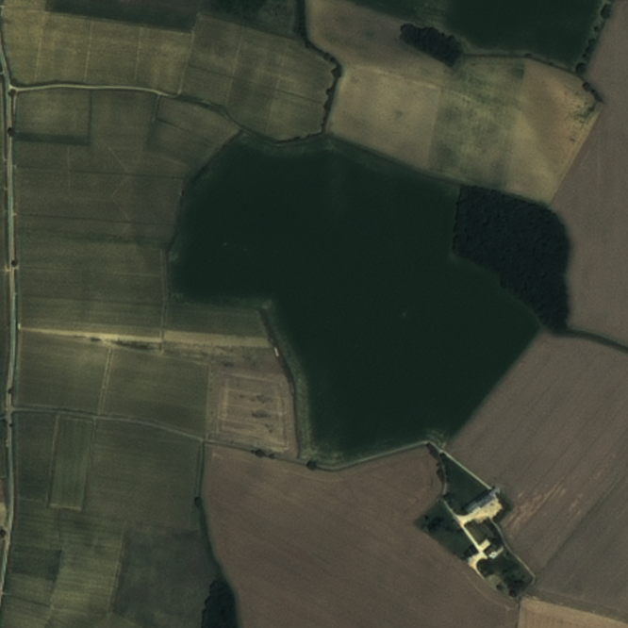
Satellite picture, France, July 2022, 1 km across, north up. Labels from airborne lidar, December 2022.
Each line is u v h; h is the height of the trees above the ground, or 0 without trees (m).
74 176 0
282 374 0
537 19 0
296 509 0
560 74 0
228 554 0
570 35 0
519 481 0
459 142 0
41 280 0
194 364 0
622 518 0
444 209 0
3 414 0
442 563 0
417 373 0
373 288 0
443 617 0
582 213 0
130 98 0
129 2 0
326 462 0
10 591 0
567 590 0
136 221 0
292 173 0
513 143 0
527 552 0
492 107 0
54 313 0
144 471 0
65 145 0
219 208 0
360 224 0
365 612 0
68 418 0
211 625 13
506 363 0
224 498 0
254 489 0
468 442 0
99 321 0
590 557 0
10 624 0
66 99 0
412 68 0
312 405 0
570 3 0
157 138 0
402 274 0
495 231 17
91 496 0
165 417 0
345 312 0
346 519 0
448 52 21
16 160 0
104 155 0
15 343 0
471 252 14
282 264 0
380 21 0
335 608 0
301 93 0
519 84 0
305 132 0
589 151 0
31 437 0
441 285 0
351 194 0
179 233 0
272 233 0
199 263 0
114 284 0
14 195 0
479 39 0
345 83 0
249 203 0
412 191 0
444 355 0
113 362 0
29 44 0
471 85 0
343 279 0
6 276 0
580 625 0
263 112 0
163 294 0
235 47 0
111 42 0
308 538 0
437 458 8
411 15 0
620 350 0
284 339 0
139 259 0
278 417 0
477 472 0
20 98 0
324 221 0
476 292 0
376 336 0
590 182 0
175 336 0
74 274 0
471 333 0
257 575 0
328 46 0
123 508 0
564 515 0
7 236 0
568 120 0
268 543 0
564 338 0
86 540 0
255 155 0
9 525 0
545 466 0
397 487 0
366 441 0
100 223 0
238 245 0
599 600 0
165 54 0
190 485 0
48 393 0
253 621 0
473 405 0
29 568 0
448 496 9
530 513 0
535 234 20
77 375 0
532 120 0
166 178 0
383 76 0
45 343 0
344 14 0
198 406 0
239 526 0
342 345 0
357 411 0
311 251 0
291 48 0
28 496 0
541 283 19
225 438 0
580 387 0
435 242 0
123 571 0
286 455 0
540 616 0
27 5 0
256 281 0
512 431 0
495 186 0
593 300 0
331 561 0
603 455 0
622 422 0
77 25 0
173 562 0
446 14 0
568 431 0
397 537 0
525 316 0
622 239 0
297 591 0
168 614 0
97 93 0
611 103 0
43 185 0
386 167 0
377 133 0
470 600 0
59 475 0
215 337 0
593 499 0
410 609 0
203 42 0
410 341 0
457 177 0
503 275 9
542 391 0
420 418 0
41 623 0
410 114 0
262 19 0
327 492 0
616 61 0
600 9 0
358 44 0
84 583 0
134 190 0
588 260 0
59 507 0
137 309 0
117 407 0
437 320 0
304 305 0
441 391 0
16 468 0
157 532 0
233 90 0
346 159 0
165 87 0
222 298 0
